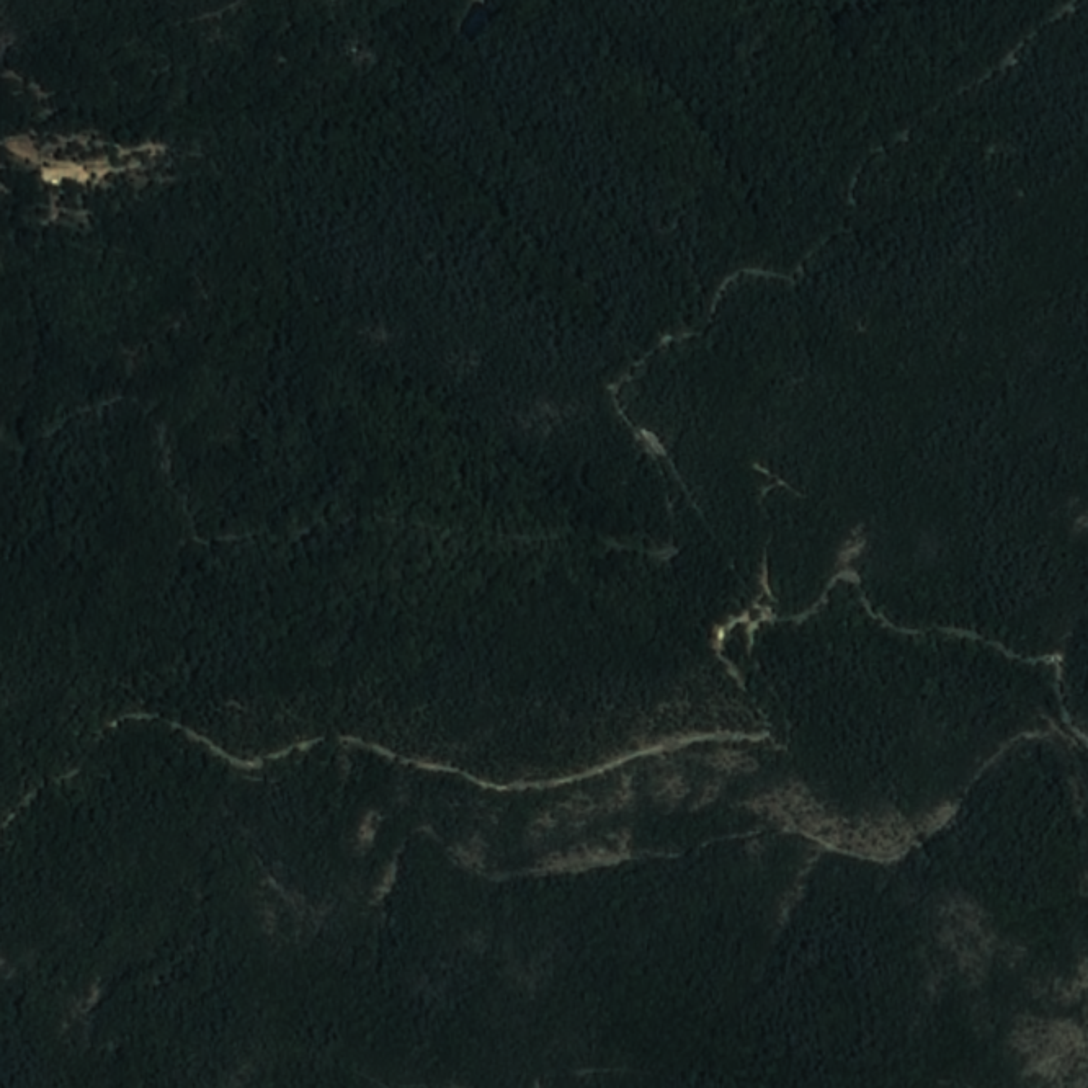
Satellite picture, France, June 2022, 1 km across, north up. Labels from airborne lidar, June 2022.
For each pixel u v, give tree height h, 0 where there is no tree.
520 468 9
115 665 7
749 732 6
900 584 6
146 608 14
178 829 8
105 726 18
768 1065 11
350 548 10
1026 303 9
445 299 10
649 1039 7
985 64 11
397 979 8
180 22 11
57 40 13
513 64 14
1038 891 20
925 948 6
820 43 13
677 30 7
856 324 6
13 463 12
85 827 11
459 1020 7
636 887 10
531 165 11
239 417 9
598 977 10
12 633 11
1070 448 11
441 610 13
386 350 9
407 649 11
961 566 6
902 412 10
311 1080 8
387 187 7
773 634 13
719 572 13
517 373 12
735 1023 10
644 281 16
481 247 17
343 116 7
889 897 8
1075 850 9
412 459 11
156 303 6
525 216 11
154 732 13
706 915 7
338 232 16
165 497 11
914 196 11
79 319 8
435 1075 6
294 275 11
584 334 16
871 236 17
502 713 7
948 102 10
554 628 7
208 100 17
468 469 12
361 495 11
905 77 13
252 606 13
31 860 11
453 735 8
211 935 14
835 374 8
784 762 9
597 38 8
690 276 11
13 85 14
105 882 9
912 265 14
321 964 12
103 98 10
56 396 8
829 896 7
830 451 7
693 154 12
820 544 8
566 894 9
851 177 10
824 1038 12
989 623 12
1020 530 6
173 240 7
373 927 13
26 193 14
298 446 8
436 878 8
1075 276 8
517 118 14
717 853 11
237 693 14
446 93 19
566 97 14
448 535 7
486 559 9
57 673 12
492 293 8
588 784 6
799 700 15
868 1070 11
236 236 10
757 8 14
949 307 9
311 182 8
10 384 11
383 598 11
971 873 8
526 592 11
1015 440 7
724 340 12
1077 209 6
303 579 15
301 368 14
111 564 10
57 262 7
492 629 9
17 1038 7
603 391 6
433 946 9
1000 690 15
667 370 9
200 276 7
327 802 13
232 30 7
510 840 7
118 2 12
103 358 6
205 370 13
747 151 16
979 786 6
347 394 15
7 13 10
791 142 12
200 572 16
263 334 8
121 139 14
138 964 13
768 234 17
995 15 12
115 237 12
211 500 14
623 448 13
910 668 17
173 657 13
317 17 9
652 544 15
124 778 15
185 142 10
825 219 15
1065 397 6
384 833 11
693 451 7
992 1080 6
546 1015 7
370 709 11
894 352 8
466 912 7
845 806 6
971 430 6
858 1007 7
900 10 15
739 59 15
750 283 8
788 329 9
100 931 11
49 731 14
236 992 6
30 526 8
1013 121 9
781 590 8
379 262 12
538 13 7
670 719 6
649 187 15
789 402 7
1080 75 14
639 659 9
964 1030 6
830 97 14
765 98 11
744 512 9
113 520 7
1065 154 11
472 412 12
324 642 15
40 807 13
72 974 7
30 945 6
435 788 9
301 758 12
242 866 10
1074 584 7
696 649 9
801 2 12
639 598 7
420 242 9
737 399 10
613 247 12
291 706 9
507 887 10
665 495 9
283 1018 7
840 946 15
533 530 10
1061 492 6
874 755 9
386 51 10
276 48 10
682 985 8
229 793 9
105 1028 6
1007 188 8
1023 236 6
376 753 12
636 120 12
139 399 8
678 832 10
